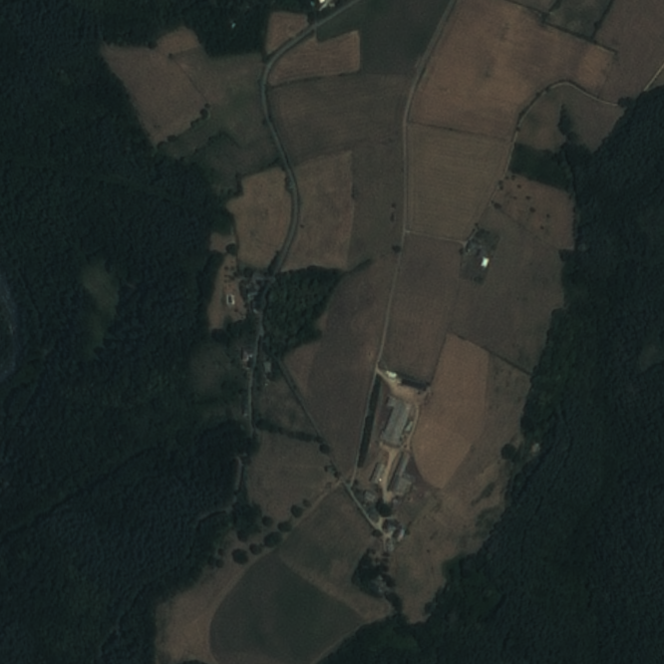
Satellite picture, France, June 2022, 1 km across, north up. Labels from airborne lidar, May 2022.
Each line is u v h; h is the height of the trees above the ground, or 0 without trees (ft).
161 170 79
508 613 83
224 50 29
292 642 0
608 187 55
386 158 0
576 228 25
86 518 94
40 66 71
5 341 97
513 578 92
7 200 80
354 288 0
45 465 72
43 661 56
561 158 39
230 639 0
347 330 0
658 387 38
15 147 54
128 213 61
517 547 90
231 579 0
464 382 0
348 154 0
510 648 64
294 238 0
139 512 74
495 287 0
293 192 0
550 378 45
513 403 0
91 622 51
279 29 0
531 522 75
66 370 96
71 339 100
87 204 62
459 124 0
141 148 48
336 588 0
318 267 32
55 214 60
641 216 29
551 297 0
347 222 0
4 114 73
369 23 0
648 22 0
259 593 0
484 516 0
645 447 64
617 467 96
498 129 0
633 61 0
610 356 56
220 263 27
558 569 76
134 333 53
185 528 97
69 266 87
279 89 0
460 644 50
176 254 56
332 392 0
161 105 0
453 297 0
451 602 35
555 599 80
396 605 41
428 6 0
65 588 62
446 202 0
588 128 0
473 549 0
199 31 24
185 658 0
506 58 0
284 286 33
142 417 58
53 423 50
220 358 0
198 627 0
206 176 38
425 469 0
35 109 54
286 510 0
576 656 94
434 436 0
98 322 0
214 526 31
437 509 0
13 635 67
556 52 0
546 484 81
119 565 90
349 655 51
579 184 69
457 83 0
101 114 43
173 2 53
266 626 0
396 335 0
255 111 0
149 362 86
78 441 63
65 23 69
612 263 85
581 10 0
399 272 0
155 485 81
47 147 70
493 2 0
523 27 0
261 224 0
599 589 37
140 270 64
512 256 0
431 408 0
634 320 39
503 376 0
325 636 0
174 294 79
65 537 94
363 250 0
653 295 50
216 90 0
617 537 70
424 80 0
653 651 47
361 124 0
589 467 84
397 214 0
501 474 0
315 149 0
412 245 0
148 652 70
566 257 44
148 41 24
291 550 0
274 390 0
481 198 0
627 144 72
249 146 0
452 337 0
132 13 39
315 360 0
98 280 0
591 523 81
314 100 0
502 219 0
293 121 0
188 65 0
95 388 62
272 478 0
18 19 71
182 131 0
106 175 51
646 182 68
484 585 21
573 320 37
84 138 65
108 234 68
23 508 81
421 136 0
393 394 0
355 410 0
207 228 41
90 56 53
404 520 0
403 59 0
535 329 0
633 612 45
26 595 76
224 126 0
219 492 71
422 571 0
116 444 47
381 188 0
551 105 0
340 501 0
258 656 0
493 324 0
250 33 29
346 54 0
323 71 0
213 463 59
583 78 0
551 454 84
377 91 0
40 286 82
